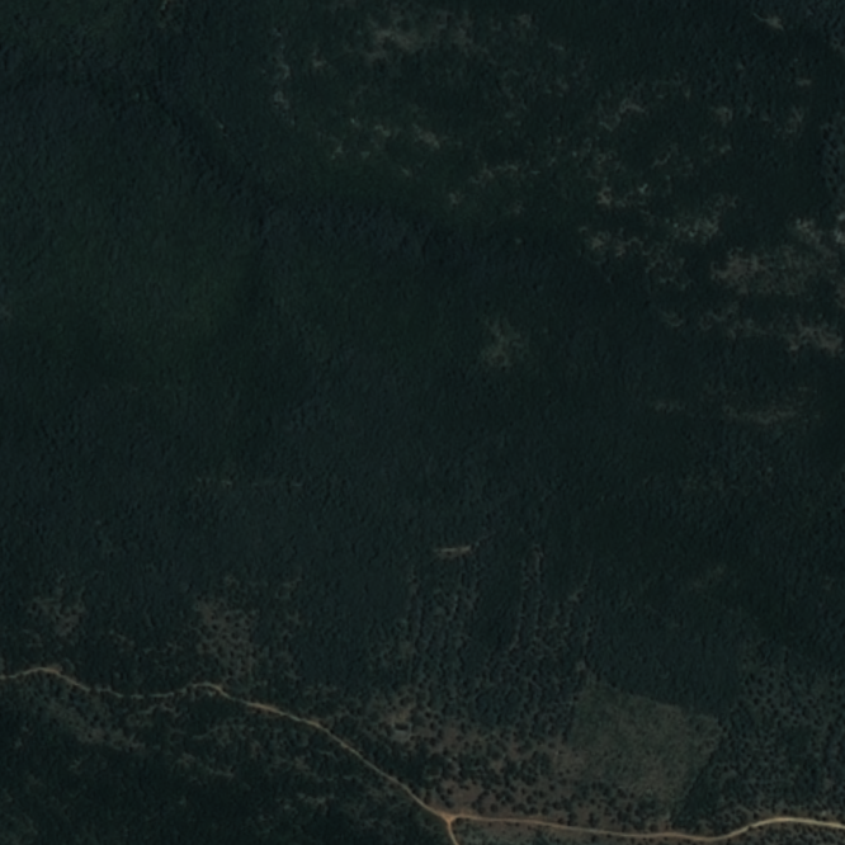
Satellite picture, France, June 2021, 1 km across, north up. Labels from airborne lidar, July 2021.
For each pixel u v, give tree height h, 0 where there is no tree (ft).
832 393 27
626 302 28
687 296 35
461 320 21
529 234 31
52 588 26
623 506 27
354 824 21
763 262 32
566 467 29
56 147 27
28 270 24
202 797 32
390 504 25
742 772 34
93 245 31
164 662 32
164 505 29
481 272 44
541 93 27
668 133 18
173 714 31
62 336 25
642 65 26
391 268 27
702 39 30
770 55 27
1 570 37
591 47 27
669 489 21
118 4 25
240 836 36
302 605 22
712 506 22
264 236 60
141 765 24
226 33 27
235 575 21
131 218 38
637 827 27
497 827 0
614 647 43
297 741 34
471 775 29
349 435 36
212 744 31
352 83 19
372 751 35
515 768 35
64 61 61
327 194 32
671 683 27
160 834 27
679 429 22
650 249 22
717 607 30
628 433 22
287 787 31
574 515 32
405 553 25
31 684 24
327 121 18
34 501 35
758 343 37
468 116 22
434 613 44
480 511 45
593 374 25
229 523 34
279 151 26
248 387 39
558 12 27
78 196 24
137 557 22
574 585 33
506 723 30
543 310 27
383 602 39
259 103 20
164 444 46
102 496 36
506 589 37
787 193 25
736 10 33
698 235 25
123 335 24
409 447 35
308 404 35
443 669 42
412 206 32
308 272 22
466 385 27
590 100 24
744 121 26
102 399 34
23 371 23
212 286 21
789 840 28
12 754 27
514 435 35
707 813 26
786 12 44
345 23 24
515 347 22
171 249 23
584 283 38
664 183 20
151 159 28
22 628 26
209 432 22
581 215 22
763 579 19
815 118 26
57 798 25
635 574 26
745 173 23
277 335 20
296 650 36
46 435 52
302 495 32
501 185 21
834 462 29
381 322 22
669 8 28
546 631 32
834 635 33
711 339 27
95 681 38
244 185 51
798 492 18
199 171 48
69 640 25
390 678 33
